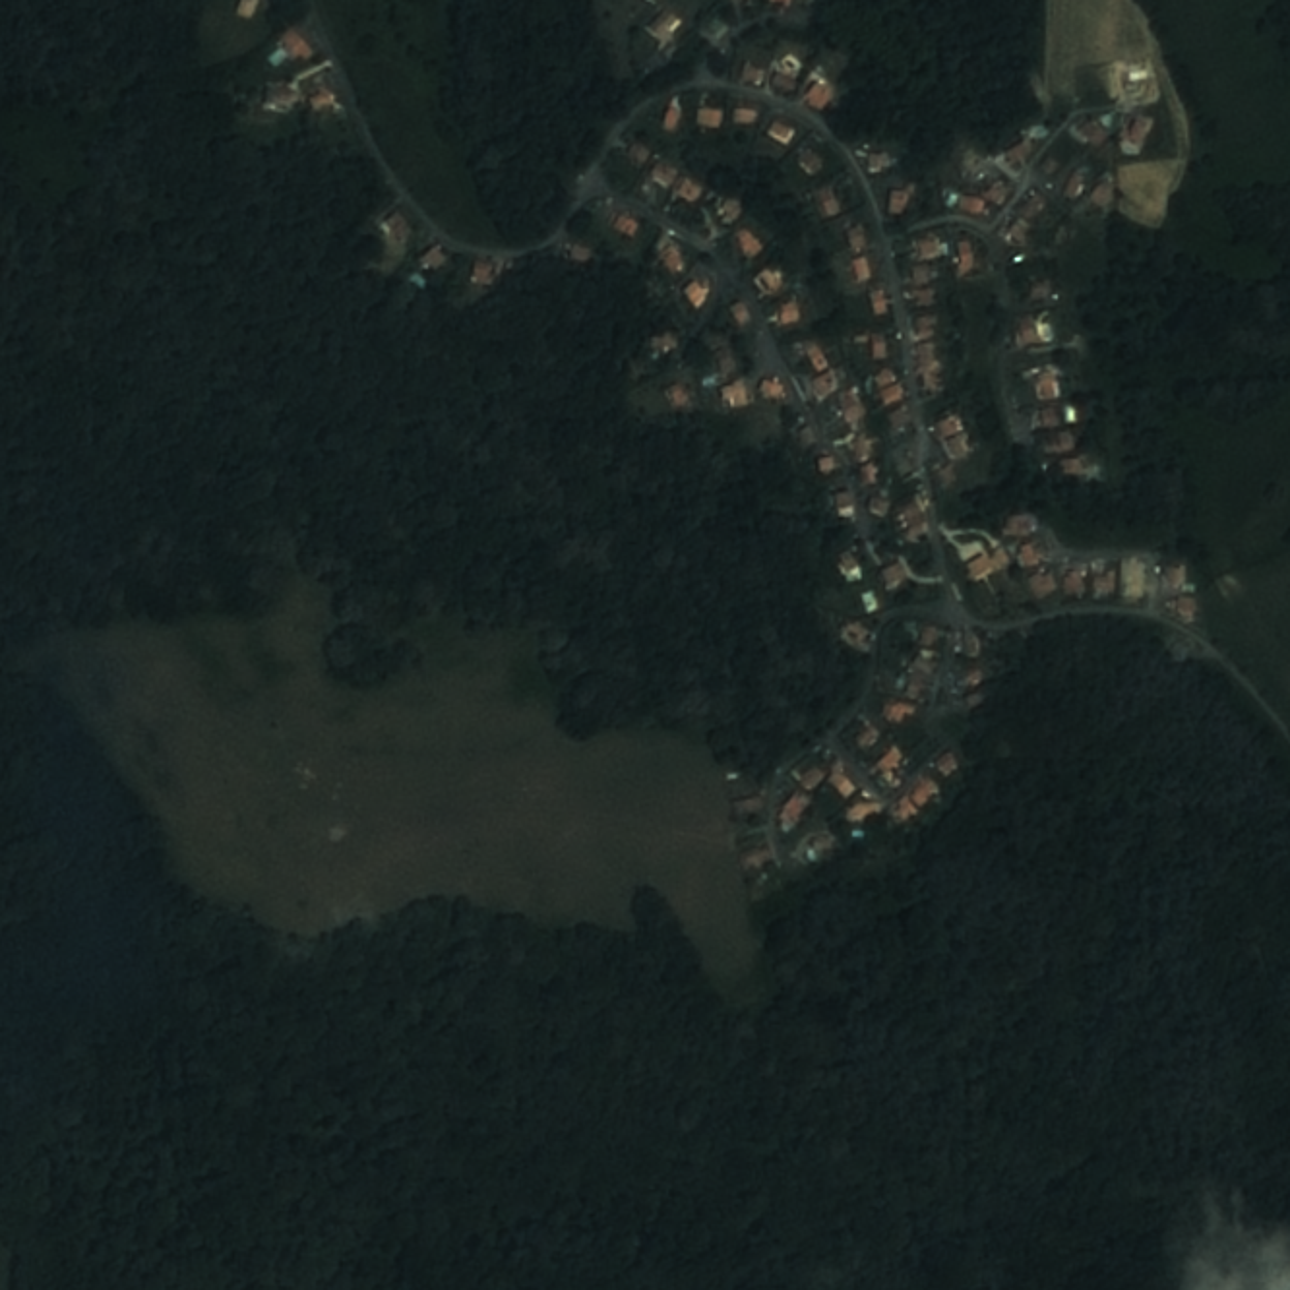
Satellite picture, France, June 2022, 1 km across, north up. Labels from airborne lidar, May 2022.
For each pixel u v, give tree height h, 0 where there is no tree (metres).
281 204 22
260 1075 15
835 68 0
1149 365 17
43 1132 28
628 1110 12
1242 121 0
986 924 28
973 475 0
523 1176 26
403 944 17
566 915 0
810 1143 23
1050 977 21
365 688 7
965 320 11
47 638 11
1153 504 13
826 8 20
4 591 13
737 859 0
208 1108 21
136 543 18
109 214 13
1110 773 13
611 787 0
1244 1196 22
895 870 9
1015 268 8
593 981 20
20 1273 16
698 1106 16
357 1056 24
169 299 16
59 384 23
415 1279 34
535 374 19
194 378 23
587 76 11
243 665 0
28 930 22
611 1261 25
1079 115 0
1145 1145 17
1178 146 0
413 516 18
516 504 13
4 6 20
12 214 9
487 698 0
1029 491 12
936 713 0
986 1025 9
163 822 6
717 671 17
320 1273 26
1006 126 9
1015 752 18
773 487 11
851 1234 23
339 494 16
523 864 0
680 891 0
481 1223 28
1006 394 0
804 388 0
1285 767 9
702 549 14
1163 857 15
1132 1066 20
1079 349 0
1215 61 0
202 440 23
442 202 0
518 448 17
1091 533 0
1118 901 19
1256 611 0
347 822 0
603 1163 27
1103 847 27
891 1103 28
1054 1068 20
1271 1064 9
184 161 25
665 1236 23
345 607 19
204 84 7
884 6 24
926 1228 17
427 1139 16
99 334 14
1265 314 26
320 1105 26
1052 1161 22
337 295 21
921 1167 20
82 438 27
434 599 17
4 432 18
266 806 0
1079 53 0
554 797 0
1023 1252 18
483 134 8
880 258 0
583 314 19
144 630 0
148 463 25
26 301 12
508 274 12
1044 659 15
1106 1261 28
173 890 8
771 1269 18
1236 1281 32
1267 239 10
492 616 17
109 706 0
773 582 8
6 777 17
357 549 18
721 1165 25
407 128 0
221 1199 22
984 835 18
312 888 0
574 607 19
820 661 13
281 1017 24
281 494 27
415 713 0
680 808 0
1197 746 13
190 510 20
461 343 25
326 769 0
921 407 0
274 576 16
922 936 20
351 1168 22
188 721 0
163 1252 18
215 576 20
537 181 11
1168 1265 24
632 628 19
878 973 27
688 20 0
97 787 22
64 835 17
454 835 0
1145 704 12
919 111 17
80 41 10
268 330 22
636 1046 7
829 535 16
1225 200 9
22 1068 24
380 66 0
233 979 25
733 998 0
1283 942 12
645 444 16
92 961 19
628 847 0
